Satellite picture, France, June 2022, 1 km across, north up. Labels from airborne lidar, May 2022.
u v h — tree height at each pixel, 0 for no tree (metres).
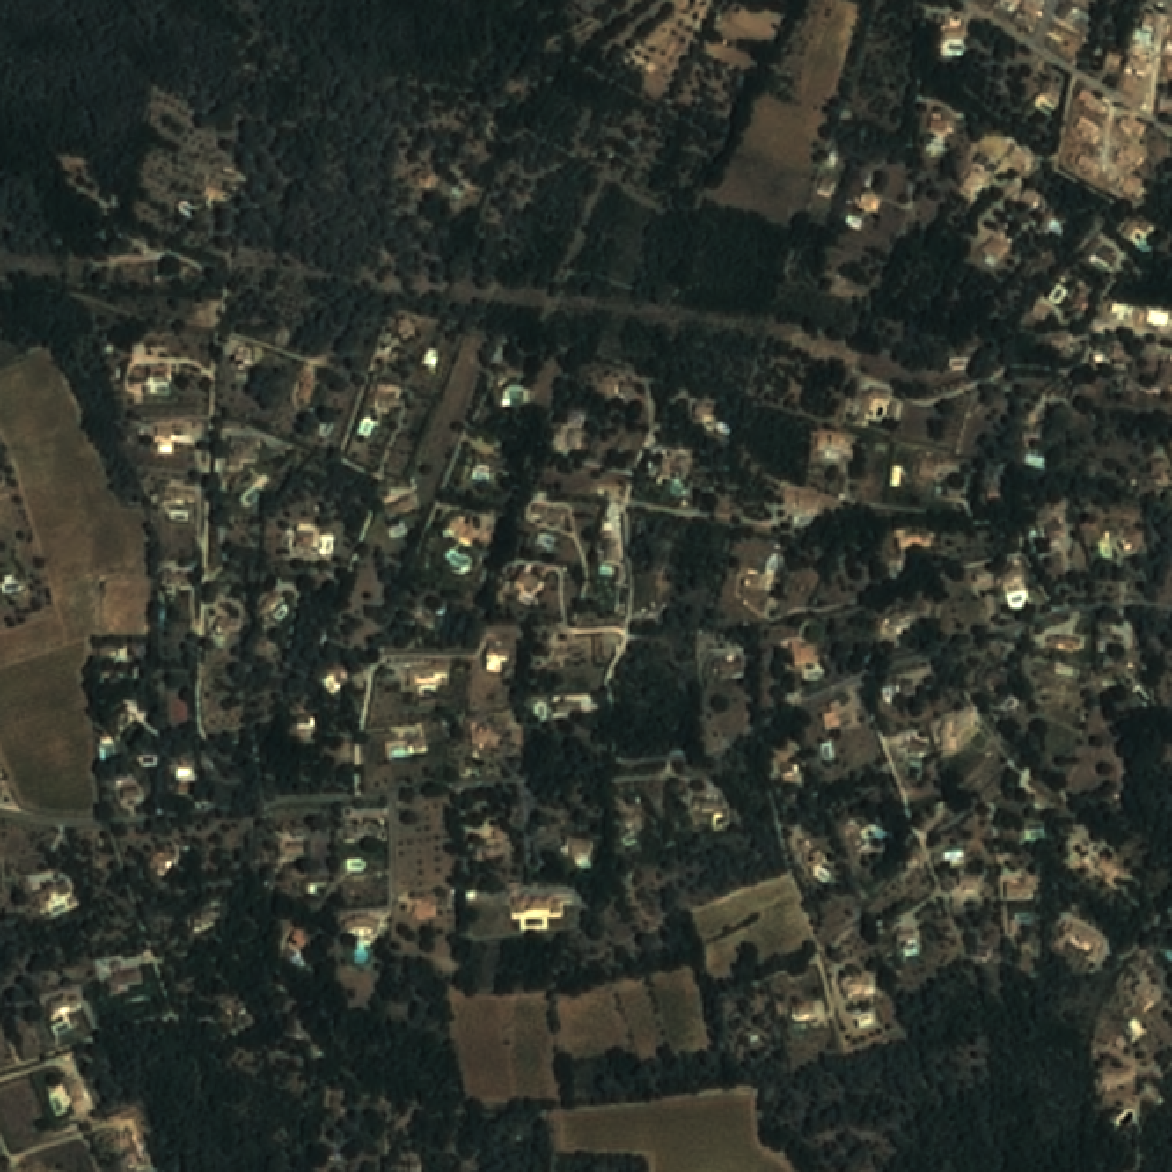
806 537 8
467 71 9
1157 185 10
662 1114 0
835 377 9
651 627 9
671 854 8
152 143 8
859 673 12
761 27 0
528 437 11
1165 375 0
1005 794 8
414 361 6
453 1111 10
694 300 7
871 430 6
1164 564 21
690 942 12
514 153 13
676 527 8
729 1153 0
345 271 19
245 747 14
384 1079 13
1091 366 12
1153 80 0
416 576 13
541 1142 15
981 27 14
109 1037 15
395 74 8
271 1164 17
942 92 12
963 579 11
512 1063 0
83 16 11
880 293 13
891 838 12
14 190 24
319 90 9
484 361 12
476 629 19
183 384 10
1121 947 11
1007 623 8
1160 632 21
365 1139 18
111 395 13
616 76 13
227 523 17
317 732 9
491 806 8
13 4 13
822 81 0
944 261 10
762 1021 9
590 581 6
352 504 13
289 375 18
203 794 18
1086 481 12
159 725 19
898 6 7
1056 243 7
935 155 0
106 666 12
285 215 13
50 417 0
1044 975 8
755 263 9
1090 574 9
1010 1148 8
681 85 11
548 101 11
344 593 8
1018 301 7
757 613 0
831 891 13
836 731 7
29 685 0
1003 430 19
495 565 13
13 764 0
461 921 11
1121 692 14
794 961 15
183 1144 14
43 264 0
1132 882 12
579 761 18
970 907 7
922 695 8
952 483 11
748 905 0
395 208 11
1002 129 8
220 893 8
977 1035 11
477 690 0
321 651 16
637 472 9
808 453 10
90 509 0
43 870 8
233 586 8
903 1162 9
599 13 9
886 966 9
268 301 8
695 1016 0
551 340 12
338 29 8
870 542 15
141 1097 15
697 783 7
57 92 11
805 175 0
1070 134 0
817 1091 18
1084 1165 11
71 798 0
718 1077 6
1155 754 14
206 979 15
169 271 14
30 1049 0
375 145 20
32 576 8
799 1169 10
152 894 9
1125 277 7
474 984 12
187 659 11
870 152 20
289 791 12
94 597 0
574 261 8
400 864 0
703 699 14
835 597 0
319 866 22
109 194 9
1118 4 7
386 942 9
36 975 14
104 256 12
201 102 14
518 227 20
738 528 7
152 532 11
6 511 0
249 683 17
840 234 9
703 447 9
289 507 13
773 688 7
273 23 13
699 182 8
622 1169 11
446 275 18
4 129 7
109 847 7
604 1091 18
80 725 0
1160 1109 7
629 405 7
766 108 0
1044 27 0
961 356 8
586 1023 0
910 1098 20
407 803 7
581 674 0
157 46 8
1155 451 6
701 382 7
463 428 9
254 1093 10
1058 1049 9
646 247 7
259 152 19
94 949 6
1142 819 11
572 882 11
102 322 8
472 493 8
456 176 8
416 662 0
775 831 11
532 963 9
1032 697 16
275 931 11
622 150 13
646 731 13
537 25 14
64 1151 0
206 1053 11
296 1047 7
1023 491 13
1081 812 9
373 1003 10
